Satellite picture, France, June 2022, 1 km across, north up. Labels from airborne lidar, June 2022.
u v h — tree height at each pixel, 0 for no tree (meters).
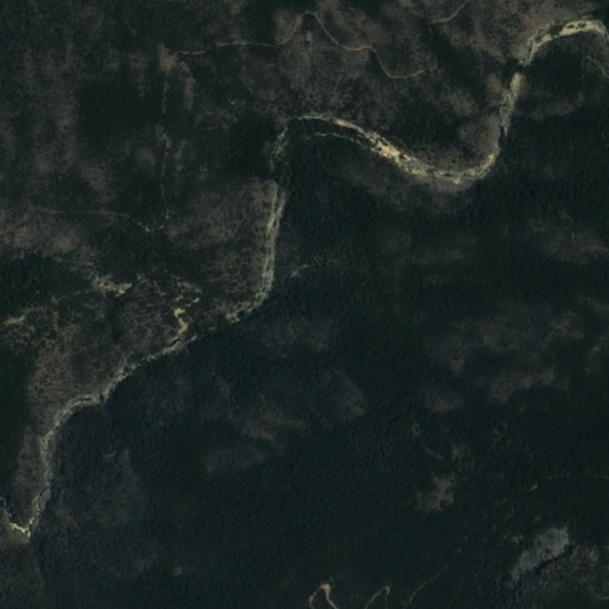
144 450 7
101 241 8
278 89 7
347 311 11
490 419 7
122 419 9
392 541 6
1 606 8
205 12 7
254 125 12
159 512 11
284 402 7
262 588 10
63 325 8
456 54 6
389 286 8
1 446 8
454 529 10
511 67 19
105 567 7
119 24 8
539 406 6
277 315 7
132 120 9
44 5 8
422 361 5
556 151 6
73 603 8
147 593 12
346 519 8
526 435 7
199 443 11
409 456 9
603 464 7
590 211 7
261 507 10
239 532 10
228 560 8
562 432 6
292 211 12
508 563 11
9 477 10
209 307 7
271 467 11
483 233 7
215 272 6
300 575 6
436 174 0
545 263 7
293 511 10
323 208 6
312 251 6
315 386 9
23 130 6
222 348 7
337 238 11
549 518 8
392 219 9
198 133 7
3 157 7
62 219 7
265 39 8
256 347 11
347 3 5
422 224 8
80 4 5
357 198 14
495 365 5
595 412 6
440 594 6
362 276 5
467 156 6
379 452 6
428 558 6
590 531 7
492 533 10
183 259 10
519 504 9
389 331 8
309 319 6
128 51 8
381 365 12
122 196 7
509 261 9
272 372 11
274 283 7
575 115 7
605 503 10
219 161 6
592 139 8
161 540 7
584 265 6
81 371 6
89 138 6
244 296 8
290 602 6
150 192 9
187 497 11
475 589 10
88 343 6
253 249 6
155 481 8
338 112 6
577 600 9
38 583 5
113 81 8
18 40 6
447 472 11
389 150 0
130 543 5
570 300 7
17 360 10
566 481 9
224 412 5
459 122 9
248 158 18
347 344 10
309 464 10
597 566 8
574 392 6
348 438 10
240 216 7
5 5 6
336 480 9
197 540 12
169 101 7
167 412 5
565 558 8
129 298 7
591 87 6
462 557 9
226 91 11
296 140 11
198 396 9
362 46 0
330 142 6
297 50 0
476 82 7
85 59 6
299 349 6
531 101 5
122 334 9
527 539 9
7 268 10
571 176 7
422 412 10
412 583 8
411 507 8
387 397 12
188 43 7
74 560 7
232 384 10
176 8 9
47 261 6
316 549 7
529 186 18
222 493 9
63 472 11
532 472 10
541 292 11
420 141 7
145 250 9
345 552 7
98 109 8
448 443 9
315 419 6
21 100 6
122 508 6
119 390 10
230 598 8
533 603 7
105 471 8
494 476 12
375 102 7
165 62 0
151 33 10
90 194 6
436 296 6
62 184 7
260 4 9
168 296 7
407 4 0
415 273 6
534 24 0
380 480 7
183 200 7
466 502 7
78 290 8
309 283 8
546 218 10
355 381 7
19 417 11
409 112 6
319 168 9
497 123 0
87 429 8
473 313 6
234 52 6
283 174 10
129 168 6
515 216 11
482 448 6
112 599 6
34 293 11
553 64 7
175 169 7
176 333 7
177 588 7
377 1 6
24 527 10
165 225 8
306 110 8
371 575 7
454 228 10
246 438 8
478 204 6
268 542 7
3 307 18
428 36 7
